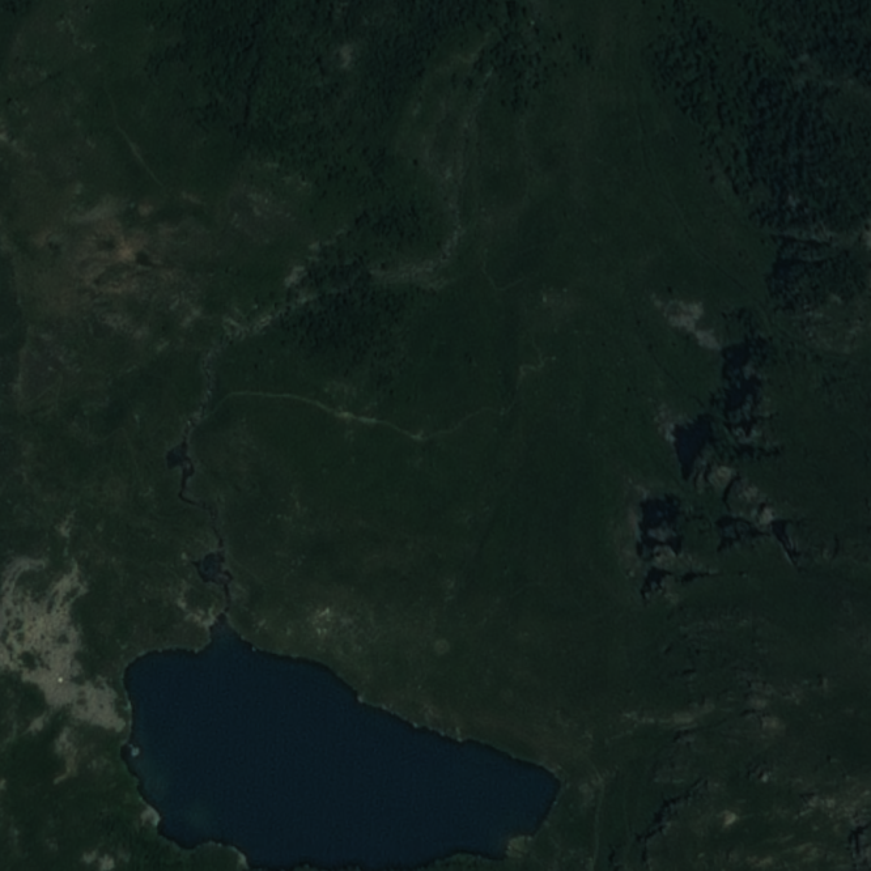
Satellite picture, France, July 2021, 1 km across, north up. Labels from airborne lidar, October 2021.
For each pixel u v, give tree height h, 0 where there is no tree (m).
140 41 0
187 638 0
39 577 0
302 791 0
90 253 0
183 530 0
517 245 0
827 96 9
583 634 0
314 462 0
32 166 0
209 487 0
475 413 0
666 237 0
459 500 0
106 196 0
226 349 0
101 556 0
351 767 0
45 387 0
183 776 0
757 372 8
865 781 0
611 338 0
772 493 0
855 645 0
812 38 6
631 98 0
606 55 0
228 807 0
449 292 0
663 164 0
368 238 0
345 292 6
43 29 0
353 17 8
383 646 0
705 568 0
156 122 0
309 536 0
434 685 0
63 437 0
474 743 0
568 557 0
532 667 0
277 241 0
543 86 8
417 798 0
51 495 0
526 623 0
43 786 0
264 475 0
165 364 0
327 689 0
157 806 0
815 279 8
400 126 0
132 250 0
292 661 0
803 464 0
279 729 0
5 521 0
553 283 0
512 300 0
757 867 0
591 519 0
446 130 0
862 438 0
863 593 0
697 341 0
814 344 0
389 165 9
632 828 0
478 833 0
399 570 0
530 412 0
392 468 0
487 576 0
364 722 0
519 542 0
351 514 0
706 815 0
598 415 0
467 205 0
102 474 0
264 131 12
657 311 0
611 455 0
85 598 0
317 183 7
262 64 12
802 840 0
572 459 0
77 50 0
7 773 0
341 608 0
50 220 0
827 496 0
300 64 18
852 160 8
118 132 0
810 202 10
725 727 0
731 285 0
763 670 0
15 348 0
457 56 0
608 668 0
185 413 0
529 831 0
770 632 0
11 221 0
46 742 0
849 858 0
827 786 0
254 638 0
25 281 0
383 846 0
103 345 0
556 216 0
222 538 0
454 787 0
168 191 0
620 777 0
